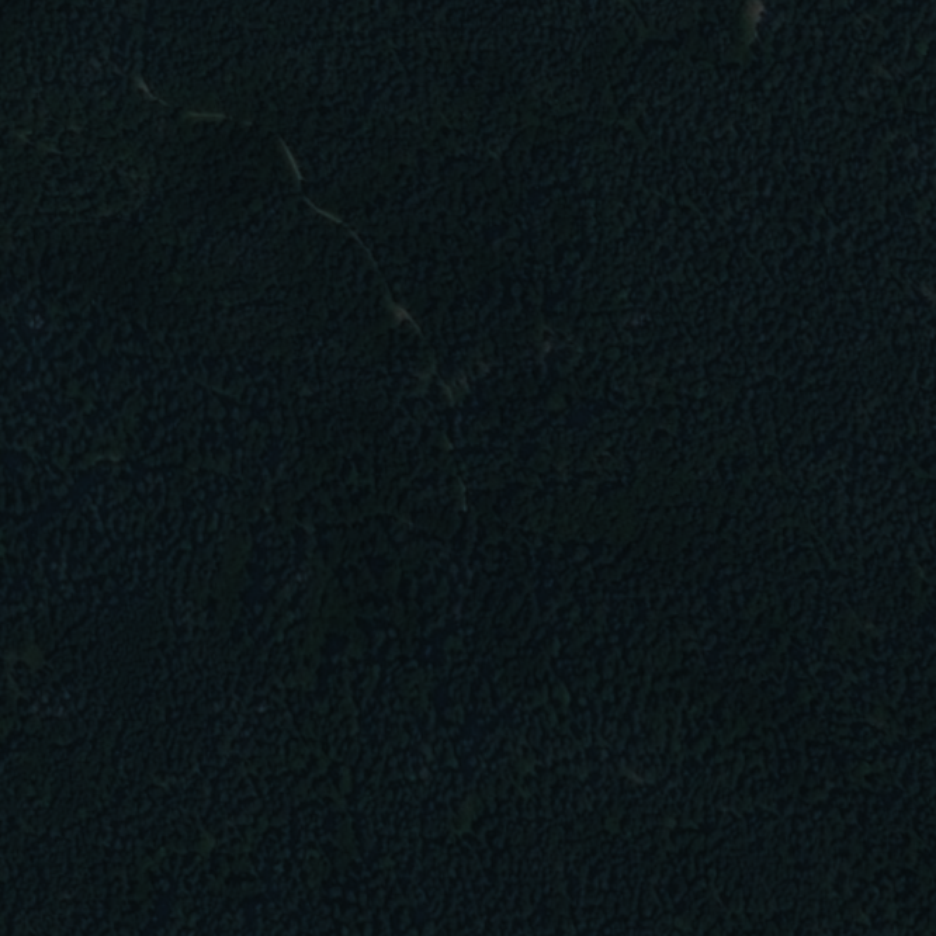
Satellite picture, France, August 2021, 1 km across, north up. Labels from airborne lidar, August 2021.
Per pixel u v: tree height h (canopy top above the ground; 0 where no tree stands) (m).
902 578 25
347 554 7
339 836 33
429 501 23
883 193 29
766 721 13
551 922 29
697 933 11
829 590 19
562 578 28
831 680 13
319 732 26
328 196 21
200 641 29
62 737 28
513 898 24
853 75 16
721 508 30
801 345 27
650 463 26
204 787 29
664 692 28
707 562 33
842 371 32
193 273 32
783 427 20
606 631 7
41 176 30
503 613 32
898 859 32
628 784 30
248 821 33
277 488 22
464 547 27
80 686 32
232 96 26
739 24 18
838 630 32
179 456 22
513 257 29
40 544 34
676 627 24
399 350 22
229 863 20
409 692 33
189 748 28
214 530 33
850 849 26
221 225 33
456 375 33
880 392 29
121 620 20
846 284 33
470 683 34
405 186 11
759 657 14
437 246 7
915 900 22
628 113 25
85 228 23
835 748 16
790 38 33
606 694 28
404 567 8
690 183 31
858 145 22
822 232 23
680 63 26
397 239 22
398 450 30
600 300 27
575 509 30
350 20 22
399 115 20
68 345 30
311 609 34
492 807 21
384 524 17
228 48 26
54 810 31
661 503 22
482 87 21
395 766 27
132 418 24
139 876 25
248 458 42
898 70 24
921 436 19
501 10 21
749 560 27
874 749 30
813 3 18
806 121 22
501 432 7
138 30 28
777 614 25
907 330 23
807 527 17
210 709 24
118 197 30
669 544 36
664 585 27
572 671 28
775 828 32
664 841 14
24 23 18
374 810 18
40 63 24
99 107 30
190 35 21
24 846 23
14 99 27
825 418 27
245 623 6
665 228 32
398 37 26
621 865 22
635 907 29
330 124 25
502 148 32
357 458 7
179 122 29
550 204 29
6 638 23
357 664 20
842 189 15
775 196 24
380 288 21
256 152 14
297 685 28
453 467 21
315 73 13
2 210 25
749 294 29
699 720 29
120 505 32
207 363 21
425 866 26
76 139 29
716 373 27
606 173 18
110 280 34
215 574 17
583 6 6
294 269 25
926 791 20
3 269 9
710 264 22
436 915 28
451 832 17
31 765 30
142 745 19
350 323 27
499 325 31
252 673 16
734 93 25
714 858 23
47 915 26
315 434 30
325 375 25
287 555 31
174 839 26
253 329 27
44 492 29
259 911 18
